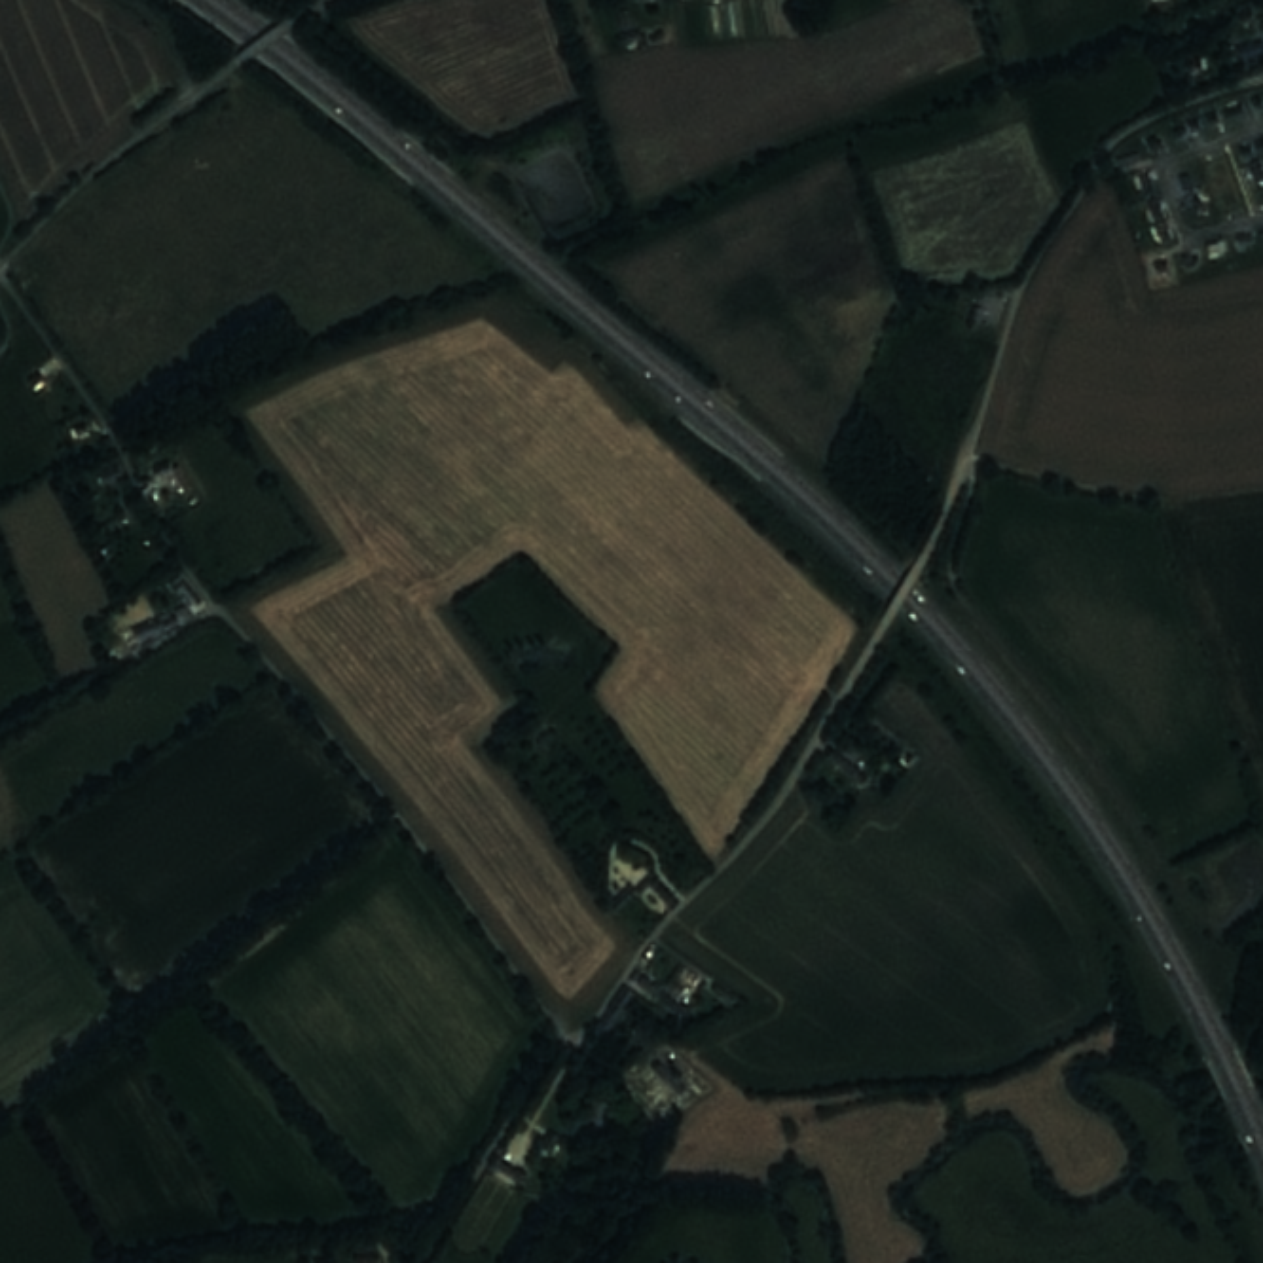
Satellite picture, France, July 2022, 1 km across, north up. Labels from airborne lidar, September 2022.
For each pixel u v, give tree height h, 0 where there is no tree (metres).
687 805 0
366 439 0
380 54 0
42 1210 0
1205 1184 12
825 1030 0
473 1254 0
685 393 0
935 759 0
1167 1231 0
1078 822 0
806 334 0
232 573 0
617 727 10
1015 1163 0
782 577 0
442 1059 0
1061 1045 11
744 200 0
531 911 0
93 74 0
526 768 8
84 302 0
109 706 0
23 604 10
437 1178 0
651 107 0
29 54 0
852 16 0
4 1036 0
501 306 0
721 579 0
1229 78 15
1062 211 10
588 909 0
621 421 0
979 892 0
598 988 0
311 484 0
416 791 0
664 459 0
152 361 0
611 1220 25
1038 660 0
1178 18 8
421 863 6
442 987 0
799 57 0
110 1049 17
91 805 13
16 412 0
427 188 0
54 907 13
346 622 0
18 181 0
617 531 0
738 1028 0
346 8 13
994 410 0
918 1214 10
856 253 0
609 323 0
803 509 0
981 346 0
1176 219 0
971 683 0
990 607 0
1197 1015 0
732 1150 0
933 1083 11
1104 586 0
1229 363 0
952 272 0
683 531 0
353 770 15
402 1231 22
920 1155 0
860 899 0
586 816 8
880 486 16
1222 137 0
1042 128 0
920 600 0
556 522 0
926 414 0
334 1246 15
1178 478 0
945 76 0
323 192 0
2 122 0
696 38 0
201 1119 0
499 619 0
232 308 0
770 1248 0
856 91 0
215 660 0
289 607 0
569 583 0
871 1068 0
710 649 0
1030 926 0
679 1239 0
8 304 0
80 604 0
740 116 0
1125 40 20
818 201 0
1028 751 0
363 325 14
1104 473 0
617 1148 11
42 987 0
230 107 0
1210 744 0
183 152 0
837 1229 10
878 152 0
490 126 0
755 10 0
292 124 0
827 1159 0
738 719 0
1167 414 0
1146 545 0
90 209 0
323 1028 0
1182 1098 8
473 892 0
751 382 0
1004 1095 0
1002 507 0
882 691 8
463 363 0
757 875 0
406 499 0
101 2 0
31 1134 12
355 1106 0
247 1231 18
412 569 0
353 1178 25
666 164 0
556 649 0
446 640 0
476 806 0
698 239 0
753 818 8
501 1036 0
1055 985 0
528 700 12
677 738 0
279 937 0
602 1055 17
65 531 0
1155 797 0
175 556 14
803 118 0
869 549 0
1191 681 0
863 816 0
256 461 7
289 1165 0
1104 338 0
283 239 0
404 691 0
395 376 0
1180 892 0
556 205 0
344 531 0
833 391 0
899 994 0
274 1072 15
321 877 22
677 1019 9
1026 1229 0
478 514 0
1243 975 9
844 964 0
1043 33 0
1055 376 0
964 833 0
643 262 0
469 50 0
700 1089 0
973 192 0
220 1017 17
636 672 0
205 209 0
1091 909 0
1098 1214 0
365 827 10
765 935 0
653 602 0
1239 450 0
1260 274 0
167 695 0
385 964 0
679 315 0
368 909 0
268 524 0
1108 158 17
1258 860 0
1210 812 0
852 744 9
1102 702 0
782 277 0
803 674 0
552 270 0
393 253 0
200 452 0
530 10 0
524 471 0
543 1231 27
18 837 0
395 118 9
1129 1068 11
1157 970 0
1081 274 0
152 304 0
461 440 0
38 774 0
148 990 11
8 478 0
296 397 0
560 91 0
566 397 0
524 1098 13
